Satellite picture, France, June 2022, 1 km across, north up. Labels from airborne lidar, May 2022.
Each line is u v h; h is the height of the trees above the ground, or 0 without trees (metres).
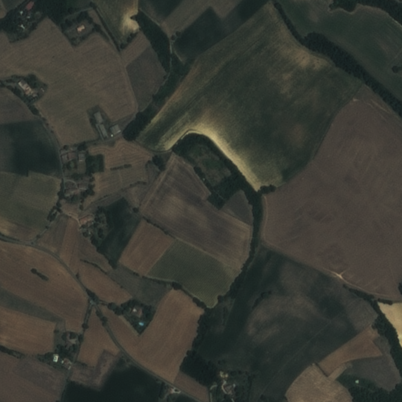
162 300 0
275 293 0
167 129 0
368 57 0
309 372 0
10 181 0
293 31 16
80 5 0
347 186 0
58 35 0
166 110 0
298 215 0
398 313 0
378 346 0
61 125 0
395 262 0
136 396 0
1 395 0
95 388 0
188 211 0
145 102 0
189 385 0
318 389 0
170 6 0
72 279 0
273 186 16
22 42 0
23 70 0
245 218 0
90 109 0
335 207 0
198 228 0
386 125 0
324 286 0
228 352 0
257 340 0
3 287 0
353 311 0
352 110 0
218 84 0
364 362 0
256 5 0
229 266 0
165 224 0
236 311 0
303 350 0
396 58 0
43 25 0
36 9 11
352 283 0
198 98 0
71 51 0
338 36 0
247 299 0
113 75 0
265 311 0
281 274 0
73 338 11
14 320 0
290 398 0
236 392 14
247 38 0
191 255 0
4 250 0
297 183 0
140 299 0
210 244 0
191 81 0
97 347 0
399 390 11
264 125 0
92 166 8
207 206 0
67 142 0
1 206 0
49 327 0
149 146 0
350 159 0
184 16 0
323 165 0
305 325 0
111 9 0
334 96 0
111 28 0
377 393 10
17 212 0
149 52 0
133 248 0
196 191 0
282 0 0
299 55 0
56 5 12
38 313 0
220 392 8
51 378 0
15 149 0
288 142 0
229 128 0
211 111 0
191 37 0
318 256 0
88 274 0
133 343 0
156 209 0
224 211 0
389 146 0
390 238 0
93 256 0
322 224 0
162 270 0
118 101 0
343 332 0
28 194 0
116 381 0
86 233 11
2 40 0
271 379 0
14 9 7
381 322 9
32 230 0
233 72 0
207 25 0
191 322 0
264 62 0
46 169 0
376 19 0
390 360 0
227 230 0
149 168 0
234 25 0
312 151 0
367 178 0
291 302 0
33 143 0
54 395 0
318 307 0
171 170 0
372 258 0
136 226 0
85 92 0
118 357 0
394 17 15
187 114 0
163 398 8
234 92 0
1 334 0
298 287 0
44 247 0
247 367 0
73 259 0
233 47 0
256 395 0
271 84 0
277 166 0
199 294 0
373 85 13
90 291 9
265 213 0
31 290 0
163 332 0
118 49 7
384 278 0
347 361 0
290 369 0
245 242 0
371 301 10
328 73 0
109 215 9
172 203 0
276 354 0
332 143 0
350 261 0
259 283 0
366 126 0
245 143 0
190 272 0
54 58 0
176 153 15
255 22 0
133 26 0
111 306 18
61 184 7
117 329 0
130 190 0
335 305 0
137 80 0
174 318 0
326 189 0
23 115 0
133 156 0
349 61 29
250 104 0
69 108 0
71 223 0
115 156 0
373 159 0
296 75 0
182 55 0
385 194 0
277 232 0
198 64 0
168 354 0
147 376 0
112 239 0
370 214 0
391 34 0
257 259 0
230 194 8
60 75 0
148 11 0
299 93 0
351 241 0
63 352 7
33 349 0
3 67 0
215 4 0
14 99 0
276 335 0
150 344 0
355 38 0
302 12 0
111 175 0
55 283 0
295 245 0
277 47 0
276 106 0
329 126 0
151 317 15
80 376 0
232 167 18
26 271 0
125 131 13
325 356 0
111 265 10
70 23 14
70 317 0
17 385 0
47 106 0
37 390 0
